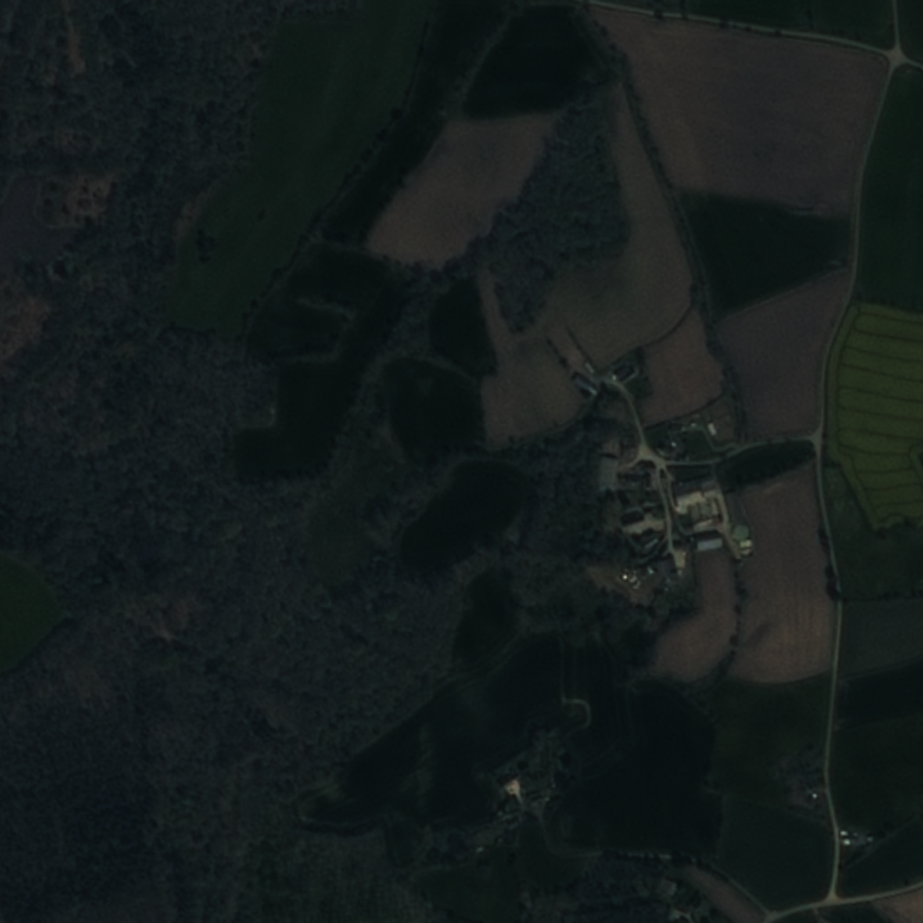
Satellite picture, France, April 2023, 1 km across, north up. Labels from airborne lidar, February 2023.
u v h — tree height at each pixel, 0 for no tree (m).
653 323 0
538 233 15
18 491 22
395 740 0
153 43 14
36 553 18
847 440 0
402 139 0
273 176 0
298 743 8
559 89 0
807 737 0
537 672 0
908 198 0
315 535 0
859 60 0
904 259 0
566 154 15
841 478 0
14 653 0
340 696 19
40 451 19
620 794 0
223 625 28
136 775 14
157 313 7
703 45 0
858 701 0
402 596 23
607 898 12
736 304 0
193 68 15
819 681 0
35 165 13
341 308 11
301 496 12
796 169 0
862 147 0
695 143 0
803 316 0
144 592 15
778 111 0
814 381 0
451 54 0
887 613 0
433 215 0
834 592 13
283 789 7
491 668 0
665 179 11
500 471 0
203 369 8
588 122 13
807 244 0
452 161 0
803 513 0
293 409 0
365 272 0
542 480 15
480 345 0
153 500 21
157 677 13
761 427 0
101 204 9
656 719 0
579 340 0
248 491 12
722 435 0
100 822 25
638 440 0
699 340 0
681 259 0
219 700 19
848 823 0
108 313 17
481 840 0
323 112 0
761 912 0
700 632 0
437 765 0
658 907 10
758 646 0
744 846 0
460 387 0
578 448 6
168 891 14
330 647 19
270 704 17
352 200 0
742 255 0
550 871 0
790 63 0
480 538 0
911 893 0
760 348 0
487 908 0
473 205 0
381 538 22
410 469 0
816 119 0
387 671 10
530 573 17
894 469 0
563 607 0
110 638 12
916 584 0
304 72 0
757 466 0
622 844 0
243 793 12
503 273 14
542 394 0
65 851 23
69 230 0
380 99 0
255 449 0
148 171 15
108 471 20
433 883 0
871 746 0
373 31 0
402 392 0
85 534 14
